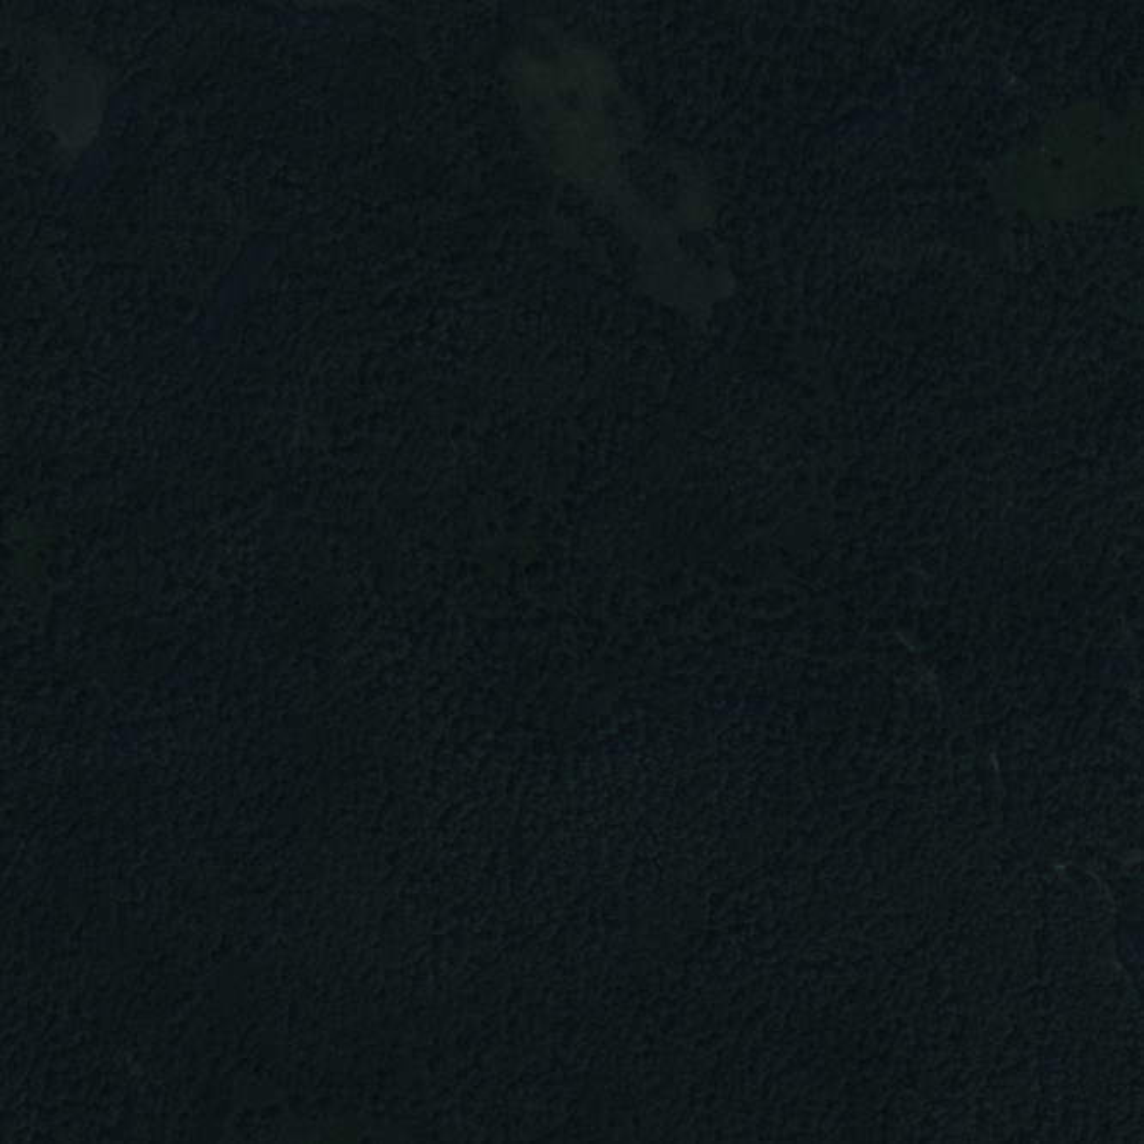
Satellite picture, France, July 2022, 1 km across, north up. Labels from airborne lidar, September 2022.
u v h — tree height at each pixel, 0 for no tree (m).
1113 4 28
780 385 20
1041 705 12
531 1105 23
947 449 7
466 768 14
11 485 27
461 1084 28
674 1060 23
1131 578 21
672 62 19
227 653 22
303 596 21
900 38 11
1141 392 21
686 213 0
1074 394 21
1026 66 17
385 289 26
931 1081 29
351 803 25
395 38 20
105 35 21
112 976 25
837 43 28
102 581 24
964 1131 27
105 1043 29
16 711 20
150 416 25
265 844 25
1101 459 15
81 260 24
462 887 30
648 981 33
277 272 20
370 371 19
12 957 23
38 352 29
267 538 18
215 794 35
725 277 0
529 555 0
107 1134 8
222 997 27
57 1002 27
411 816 30
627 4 31
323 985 26
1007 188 0
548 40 0
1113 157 0
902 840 29
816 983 27
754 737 33
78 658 24
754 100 20
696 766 26
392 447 20
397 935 31
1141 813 14
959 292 18
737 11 13
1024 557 16
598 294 28
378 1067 11
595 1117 24
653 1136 29
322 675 24
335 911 25
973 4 23
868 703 29
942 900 28
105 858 32
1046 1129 29
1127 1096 30
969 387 12
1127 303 14
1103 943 22
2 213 24
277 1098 0
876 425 18
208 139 22
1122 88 18
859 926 33
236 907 29
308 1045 24
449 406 24
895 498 23
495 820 32
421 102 19
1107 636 12
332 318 24
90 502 21
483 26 24
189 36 26
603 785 25
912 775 29
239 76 26
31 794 29
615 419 12
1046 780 24
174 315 13
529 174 28
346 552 26
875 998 27
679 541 22
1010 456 15
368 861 20
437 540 21
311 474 28
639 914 28
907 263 6
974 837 24
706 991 30
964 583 16
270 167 26
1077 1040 33
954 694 18
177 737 30
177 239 15
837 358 19
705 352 8
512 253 24
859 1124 28
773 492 17
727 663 20
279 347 24
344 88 23
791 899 30
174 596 15
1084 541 23
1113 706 25
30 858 25
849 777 36
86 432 22
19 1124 23
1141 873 10
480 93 11
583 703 17
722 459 15
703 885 32
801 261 19
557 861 32
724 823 14
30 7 7
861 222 19
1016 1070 29
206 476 24
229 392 26
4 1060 26
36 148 24
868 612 10
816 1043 30
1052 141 0
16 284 25
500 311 24
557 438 16
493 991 30
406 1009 29
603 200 0
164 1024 26
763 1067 26
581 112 0
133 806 28
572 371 23
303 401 16
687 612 13
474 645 18
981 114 19
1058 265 13
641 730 26
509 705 22
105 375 28
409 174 24
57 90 0
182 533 15
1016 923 30
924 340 27
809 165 26
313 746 27
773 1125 27
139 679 24
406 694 27
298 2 0
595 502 21
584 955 28
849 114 7
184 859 26
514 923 23
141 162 20
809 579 9
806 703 24
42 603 0
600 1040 28
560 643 21
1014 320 20
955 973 32
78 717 39
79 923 20
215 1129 13
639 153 9
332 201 27
